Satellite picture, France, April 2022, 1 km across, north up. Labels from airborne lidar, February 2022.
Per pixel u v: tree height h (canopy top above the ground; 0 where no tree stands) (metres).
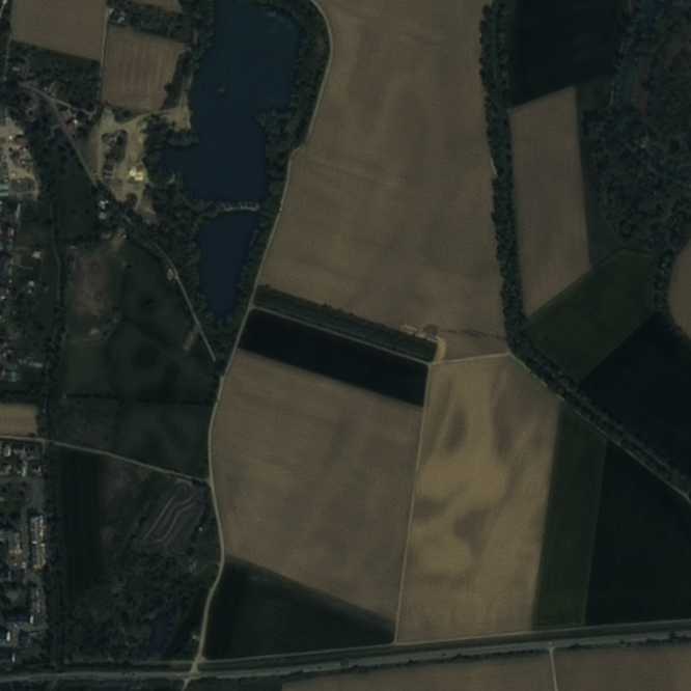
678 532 0
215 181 0
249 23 0
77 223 0
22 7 0
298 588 0
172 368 0
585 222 0
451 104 0
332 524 0
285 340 0
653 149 10
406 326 0
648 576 0
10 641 0
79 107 10
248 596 0
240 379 0
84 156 0
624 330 0
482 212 0
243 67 0
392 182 0
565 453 0
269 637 0
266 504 0
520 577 0
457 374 0
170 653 0
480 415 0
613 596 0
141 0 0
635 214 27
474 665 0
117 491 0
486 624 0
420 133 0
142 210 0
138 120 0
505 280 11
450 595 0
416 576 0
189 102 0
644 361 0
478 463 0
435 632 0
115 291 0
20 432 0
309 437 0
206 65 0
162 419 0
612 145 21
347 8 0
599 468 0
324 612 0
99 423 0
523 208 0
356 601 0
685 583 0
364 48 0
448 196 0
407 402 0
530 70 0
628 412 0
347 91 0
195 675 0
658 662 0
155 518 0
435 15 0
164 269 16
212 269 0
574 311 0
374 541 0
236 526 0
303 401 0
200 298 20
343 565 0
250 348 0
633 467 0
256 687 0
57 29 0
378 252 0
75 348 0
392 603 0
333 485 0
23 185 0
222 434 0
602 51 0
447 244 0
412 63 0
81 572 0
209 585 0
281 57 0
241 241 0
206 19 18
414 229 0
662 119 21
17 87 12
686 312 0
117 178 0
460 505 0
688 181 18
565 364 0
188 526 0
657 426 0
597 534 0
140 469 0
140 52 0
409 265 0
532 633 0
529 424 0
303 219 0
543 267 0
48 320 0
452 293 0
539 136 0
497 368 0
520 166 0
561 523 0
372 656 0
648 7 0
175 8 0
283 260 0
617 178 20
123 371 0
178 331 0
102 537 0
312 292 0
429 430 0
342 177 0
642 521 0
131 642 0
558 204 0
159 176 12
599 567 0
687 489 0
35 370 0
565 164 0
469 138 0
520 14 0
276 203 17
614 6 0
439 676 0
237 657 0
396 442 0
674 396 0
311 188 0
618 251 0
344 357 0
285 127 0
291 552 0
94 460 0
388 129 0
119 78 0
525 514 0
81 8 0
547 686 0
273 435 0
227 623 0
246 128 0
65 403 0
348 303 0
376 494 0
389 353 0
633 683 0
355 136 0
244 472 0
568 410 0
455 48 0
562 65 0
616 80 12
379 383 0
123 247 0
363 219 0
